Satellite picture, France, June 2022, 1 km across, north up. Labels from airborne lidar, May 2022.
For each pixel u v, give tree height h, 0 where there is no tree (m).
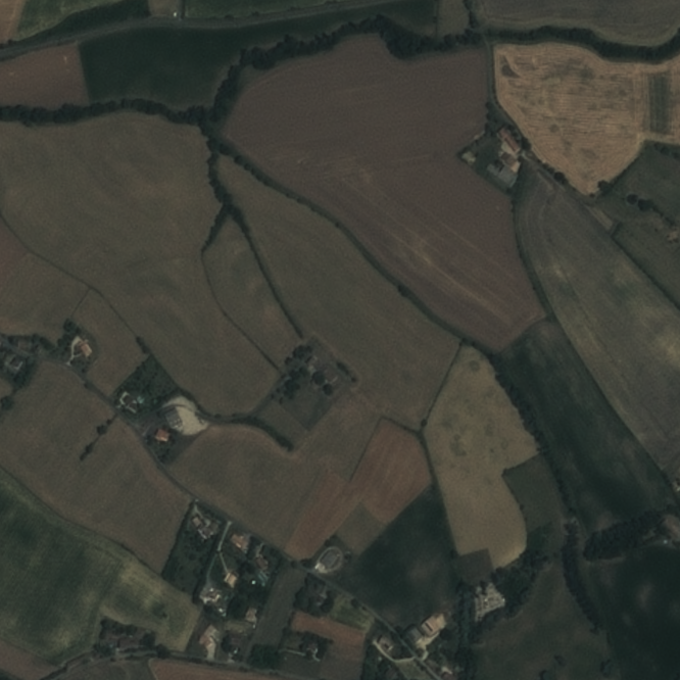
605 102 0
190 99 0
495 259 0
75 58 0
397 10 0
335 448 0
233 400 0
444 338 0
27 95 0
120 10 6
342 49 0
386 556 0
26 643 0
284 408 0
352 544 0
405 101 0
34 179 0
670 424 0
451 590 0
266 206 0
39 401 0
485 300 0
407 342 0
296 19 0
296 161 0
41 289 0
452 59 0
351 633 0
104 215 0
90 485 0
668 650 0
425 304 0
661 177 0
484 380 0
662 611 0
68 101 0
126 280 0
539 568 22
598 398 0
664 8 0
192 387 0
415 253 0
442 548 0
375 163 0
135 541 0
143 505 0
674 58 0
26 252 0
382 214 0
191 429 0
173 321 0
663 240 0
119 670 0
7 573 0
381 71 0
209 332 0
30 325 0
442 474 0
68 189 0
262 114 0
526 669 0
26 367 7
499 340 0
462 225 0
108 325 0
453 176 0
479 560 0
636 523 18
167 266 0
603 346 0
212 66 0
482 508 0
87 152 0
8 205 0
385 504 0
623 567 0
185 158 0
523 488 0
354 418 0
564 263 0
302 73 0
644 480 0
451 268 0
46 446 0
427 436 0
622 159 0
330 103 0
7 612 0
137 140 0
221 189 17
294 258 0
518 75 0
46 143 0
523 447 0
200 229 0
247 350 0
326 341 0
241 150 0
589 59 0
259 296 0
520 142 8
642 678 0
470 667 17
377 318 0
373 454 0
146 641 9
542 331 0
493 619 19
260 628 0
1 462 0
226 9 0
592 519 0
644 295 0
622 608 0
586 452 0
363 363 0
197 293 0
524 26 0
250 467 0
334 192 0
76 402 0
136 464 0
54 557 0
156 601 0
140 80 0
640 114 0
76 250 0
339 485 0
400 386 0
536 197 0
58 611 0
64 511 0
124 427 0
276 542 0
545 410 0
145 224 0
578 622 0
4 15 0
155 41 0
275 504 0
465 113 0
